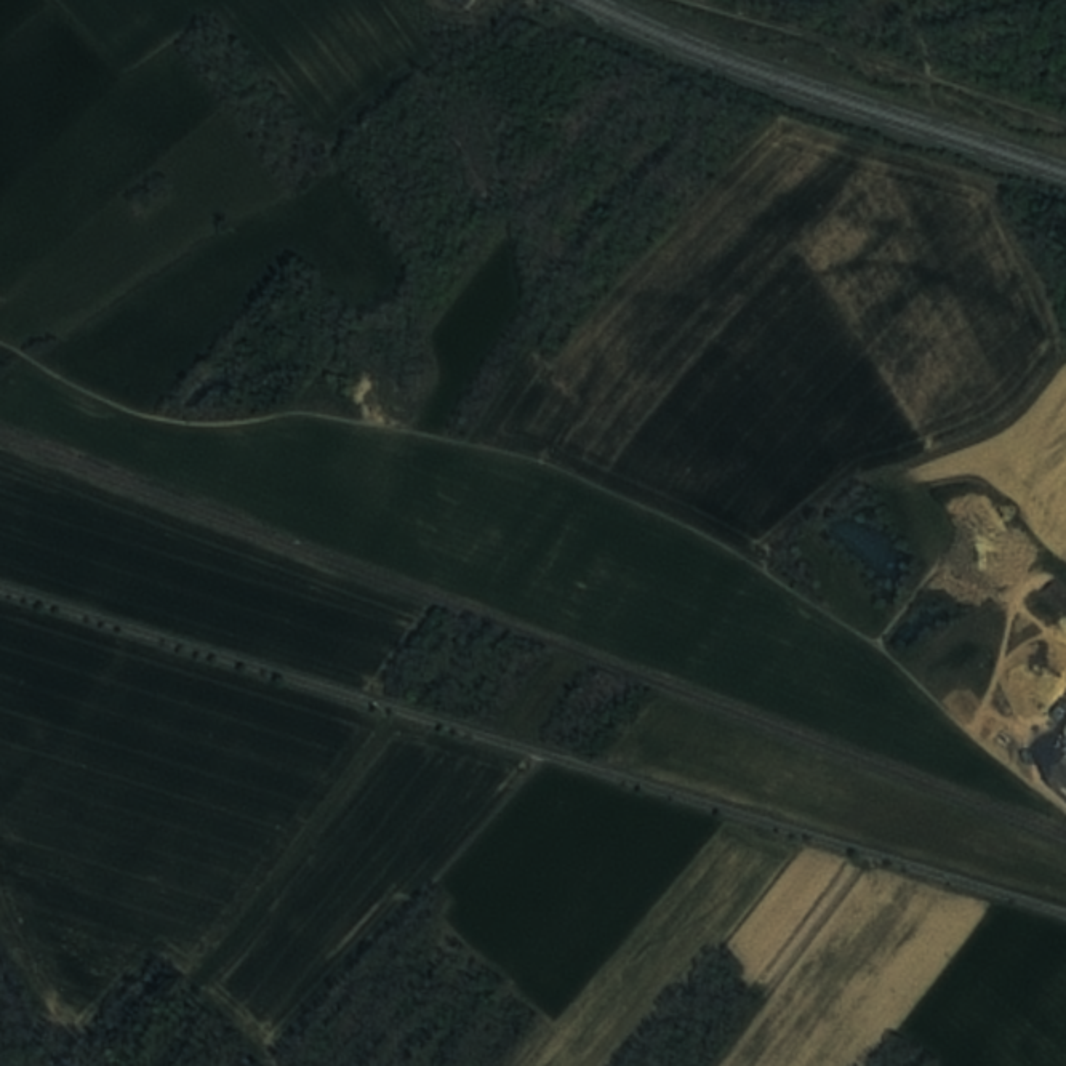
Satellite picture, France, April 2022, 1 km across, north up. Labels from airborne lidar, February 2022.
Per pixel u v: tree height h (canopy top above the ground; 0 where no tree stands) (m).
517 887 0
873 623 0
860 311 0
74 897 0
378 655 0
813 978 0
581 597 0
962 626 0
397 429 0
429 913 15
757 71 0
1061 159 0
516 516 0
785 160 0
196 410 18
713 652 0
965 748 0
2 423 0
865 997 0
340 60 0
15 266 0
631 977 0
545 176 9
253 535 0
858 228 0
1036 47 25
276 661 0
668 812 0
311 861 0
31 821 0
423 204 16
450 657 32
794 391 0
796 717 0
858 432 0
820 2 25
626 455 0
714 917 0
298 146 18
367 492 0
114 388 0
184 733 0
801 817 0
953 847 0
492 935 0
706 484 0
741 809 0
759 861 0
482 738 0
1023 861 0
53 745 0
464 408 15
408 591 0
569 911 0
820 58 0
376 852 0
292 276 14
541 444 0
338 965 0
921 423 0
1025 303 0
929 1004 0
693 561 0
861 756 0
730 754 0
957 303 0
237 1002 0
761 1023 0
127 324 0
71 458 0
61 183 0
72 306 0
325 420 0
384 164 15
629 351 0
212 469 0
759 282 0
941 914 0
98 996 0
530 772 0
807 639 0
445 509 0
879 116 0
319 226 0
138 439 0
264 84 13
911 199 0
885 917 0
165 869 0
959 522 0
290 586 0
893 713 0
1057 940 0
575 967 0
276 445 0
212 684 0
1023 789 0
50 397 0
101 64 0
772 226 0
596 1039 0
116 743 0
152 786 0
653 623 0
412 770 0
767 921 0
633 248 21
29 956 0
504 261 0
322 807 0
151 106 0
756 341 0
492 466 0
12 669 0
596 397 0
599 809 0
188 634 0
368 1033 24
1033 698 0
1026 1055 0
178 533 0
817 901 0
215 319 0
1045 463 0
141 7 0
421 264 22
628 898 0
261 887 0
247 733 0
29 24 0
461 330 0
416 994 21
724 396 0
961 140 0
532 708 0
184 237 0
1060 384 0
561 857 0
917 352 0
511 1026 12
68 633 0
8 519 0
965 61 26
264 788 0
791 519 0
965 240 0
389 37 0
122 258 0
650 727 0
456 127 0
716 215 0
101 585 0
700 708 0
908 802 0
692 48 0
